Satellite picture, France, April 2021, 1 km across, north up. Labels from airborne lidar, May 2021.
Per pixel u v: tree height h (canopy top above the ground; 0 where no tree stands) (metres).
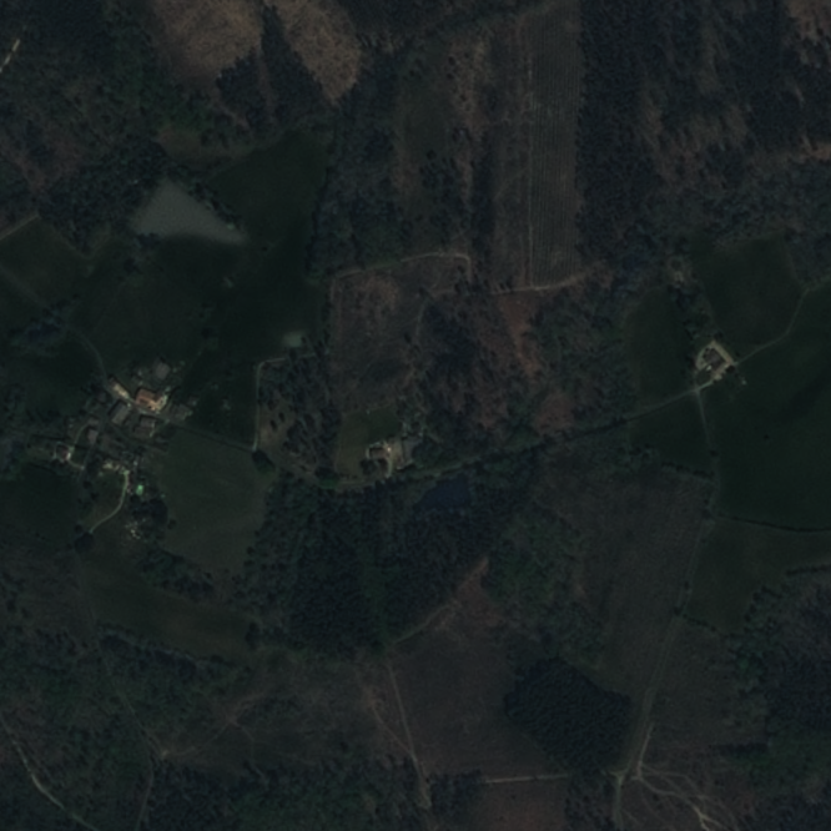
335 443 14
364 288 0
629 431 18
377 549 17
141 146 16
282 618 9
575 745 19
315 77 22
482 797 21
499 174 0
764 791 8
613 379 18
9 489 0
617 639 0
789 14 7
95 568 0
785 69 18
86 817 11
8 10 20
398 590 18
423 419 14
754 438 0
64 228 15
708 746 0
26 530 0
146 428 0
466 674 0
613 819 9
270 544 8
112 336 0
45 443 10
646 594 0
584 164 19
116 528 0
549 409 0
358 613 19
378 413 0
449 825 22
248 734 0
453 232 17
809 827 9
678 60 8
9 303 0
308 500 13
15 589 14
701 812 0
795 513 0
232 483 0
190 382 0
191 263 0
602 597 0
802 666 19
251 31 0
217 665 13
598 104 18
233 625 0
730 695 0
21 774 7
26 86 10
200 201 6
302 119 16
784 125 17
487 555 11
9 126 12
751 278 0
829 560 0
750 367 0
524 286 0
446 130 0
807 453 0
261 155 0
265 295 0
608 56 22
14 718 9
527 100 0
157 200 0
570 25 0
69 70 8
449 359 16
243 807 20
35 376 0
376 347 0
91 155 7
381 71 18
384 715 0
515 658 0
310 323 0
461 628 0
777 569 0
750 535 0
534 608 20
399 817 13
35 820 11
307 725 0
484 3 7
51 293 0
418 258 0
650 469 0
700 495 0
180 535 0
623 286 17
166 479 0
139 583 0
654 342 0
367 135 18
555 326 21
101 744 16
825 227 14
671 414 0
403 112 22
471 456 11
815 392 0
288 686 0
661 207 19
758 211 15
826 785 8
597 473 16
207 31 0
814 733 17
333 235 22
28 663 15
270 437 0
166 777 17
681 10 12
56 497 0
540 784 0
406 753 0
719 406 0
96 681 11
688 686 0
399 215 24
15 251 0
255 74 21
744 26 12
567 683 19
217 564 0
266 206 0
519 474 18
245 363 0
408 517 16
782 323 0
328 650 17
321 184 0
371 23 10
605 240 19
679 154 9
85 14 17
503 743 0
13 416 5
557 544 20
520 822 0
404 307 0
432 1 16
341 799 10
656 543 0
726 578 0
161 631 0
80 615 0
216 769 0
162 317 0
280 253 0
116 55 15
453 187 22
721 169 17
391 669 0
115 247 0
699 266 0
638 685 0
